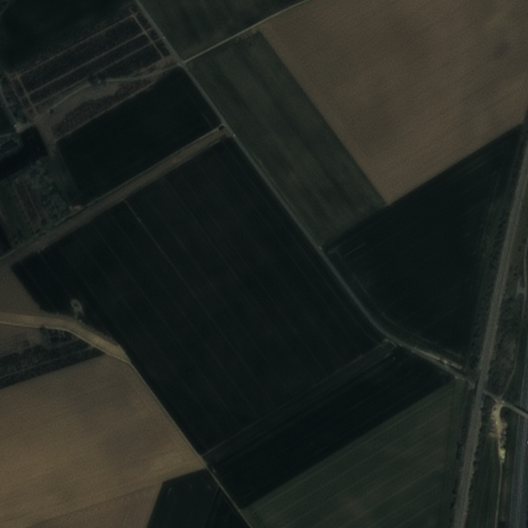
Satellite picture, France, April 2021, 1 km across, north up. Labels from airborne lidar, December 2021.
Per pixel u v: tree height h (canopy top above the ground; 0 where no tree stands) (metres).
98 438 0
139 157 0
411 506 0
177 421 0
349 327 0
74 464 0
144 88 0
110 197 0
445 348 0
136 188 0
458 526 0
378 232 0
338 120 0
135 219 0
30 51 0
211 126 0
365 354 0
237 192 0
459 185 0
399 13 0
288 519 0
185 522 0
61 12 0
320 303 0
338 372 0
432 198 0
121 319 0
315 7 0
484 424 11
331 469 0
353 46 0
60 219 25
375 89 0
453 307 0
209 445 0
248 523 0
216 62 0
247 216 0
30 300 0
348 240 0
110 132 0
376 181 0
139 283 0
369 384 0
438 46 0
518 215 0
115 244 0
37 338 0
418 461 0
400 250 0
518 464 0
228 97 0
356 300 0
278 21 0
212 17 0
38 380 0
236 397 0
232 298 0
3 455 0
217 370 0
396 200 0
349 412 0
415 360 0
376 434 0
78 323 0
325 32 0
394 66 0
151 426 0
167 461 0
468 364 0
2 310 0
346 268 0
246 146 0
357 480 0
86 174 0
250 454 0
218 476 0
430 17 0
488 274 0
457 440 0
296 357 0
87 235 0
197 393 0
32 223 11
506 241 0
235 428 0
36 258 0
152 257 0
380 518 0
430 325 0
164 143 0
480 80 0
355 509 0
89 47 0
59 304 0
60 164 0
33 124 0
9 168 0
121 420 0
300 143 0
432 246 0
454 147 0
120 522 0
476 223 0
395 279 0
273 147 0
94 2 0
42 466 0
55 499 0
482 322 0
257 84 0
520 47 0
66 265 0
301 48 0
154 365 0
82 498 0
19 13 0
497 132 0
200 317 0
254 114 0
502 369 7
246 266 0
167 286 0
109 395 0
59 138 0
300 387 0
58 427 0
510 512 0
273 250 0
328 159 0
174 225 0
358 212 0
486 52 0
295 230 0
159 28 0
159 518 0
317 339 0
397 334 0
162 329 0
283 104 0
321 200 0
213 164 0
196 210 0
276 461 0
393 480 0
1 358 0
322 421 0
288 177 0
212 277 0
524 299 0
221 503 0
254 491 0
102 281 0
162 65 0
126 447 0
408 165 0
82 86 0
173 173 0
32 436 0
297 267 0
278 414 0
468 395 0
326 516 0
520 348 0
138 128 0
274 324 0
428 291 0
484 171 0
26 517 0
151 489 0
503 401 0
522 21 0
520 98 0
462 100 0
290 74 0
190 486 0
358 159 0
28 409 0
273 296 0
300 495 0
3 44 0
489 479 0
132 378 0
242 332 0
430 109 0
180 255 0
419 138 0
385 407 0
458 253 0
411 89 0
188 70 0
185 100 0
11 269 0
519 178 0
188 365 0
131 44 0
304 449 0
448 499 0
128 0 0
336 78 0
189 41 0
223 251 0
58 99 0
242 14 0
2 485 0
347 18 0
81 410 0
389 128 0
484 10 0
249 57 0
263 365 0
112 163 0
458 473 0
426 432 0
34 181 25
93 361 0
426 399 0
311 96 0
